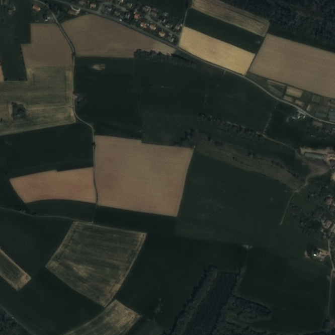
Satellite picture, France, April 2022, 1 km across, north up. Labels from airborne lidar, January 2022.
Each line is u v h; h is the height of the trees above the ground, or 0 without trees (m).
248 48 0
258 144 0
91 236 0
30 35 0
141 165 0
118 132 0
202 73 0
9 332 26
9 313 0
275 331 0
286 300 0
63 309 0
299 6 33
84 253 0
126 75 0
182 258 0
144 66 0
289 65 0
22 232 0
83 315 0
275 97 0
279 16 31
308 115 0
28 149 0
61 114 0
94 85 0
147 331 0
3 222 0
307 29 12
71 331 0
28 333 0
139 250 0
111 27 0
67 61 0
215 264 0
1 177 0
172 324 0
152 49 0
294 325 0
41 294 0
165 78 0
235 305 16
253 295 0
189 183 0
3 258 0
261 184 0
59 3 0
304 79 0
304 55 0
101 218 0
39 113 0
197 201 0
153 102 0
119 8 0
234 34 0
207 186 0
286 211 0
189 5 16
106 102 0
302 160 0
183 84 0
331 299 0
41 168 0
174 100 0
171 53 0
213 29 0
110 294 0
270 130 0
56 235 0
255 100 0
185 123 0
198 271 0
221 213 0
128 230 0
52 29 0
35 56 0
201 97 0
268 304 0
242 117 0
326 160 0
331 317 0
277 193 0
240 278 17
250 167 0
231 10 0
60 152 0
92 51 0
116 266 0
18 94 0
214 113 0
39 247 0
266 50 0
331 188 0
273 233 0
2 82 0
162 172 0
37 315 0
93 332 0
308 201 0
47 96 0
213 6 0
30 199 0
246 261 0
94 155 0
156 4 0
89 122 0
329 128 0
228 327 22
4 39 0
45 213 0
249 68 0
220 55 0
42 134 0
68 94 0
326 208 0
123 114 0
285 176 0
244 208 0
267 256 0
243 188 0
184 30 0
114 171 0
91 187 0
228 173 0
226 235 0
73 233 0
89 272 0
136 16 0
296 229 0
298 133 0
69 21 0
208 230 0
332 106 0
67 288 0
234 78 0
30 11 0
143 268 0
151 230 0
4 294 0
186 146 22
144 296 0
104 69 0
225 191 0
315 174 0
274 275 0
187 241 0
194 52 0
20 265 0
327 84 0
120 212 0
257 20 0
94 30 0
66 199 0
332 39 23
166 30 0
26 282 0
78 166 0
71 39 0
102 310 0
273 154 0
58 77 0
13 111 0
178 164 0
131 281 0
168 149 0
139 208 0
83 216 0
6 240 0
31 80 0
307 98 0
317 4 13
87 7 0
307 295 0
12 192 0
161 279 0
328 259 0
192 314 16
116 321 0
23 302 0
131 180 0
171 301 0
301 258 0
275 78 0
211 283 21
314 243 0
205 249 0
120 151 0
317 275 0
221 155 0
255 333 16
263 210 0
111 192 0
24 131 0
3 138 0
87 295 0
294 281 0
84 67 0
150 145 0
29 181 0
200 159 0
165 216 0
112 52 0
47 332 0
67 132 0
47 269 0
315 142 0
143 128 0
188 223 0
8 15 0
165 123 0
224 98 0
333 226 0
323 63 0
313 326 0
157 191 0
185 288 0
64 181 0
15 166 0
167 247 0
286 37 0
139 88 0
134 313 0
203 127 0
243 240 0
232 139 0
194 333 0
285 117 0
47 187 0
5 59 0
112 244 0
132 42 0
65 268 0
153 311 0
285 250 0
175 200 0
